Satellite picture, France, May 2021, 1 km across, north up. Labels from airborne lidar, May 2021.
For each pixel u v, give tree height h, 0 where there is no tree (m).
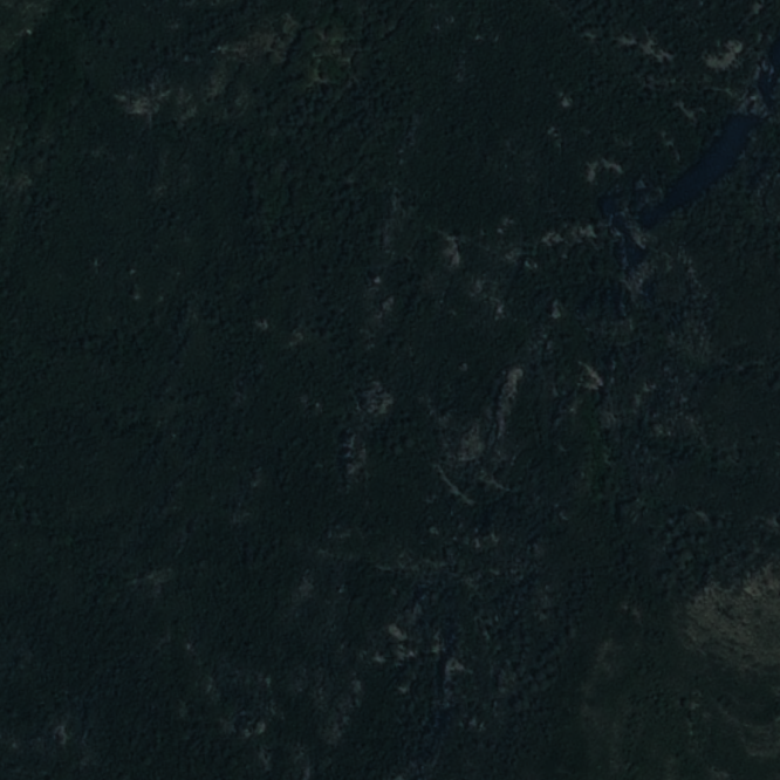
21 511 16
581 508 7
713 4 13
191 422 7
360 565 8
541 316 6
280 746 6
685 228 11
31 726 8
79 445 16
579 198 7
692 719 16
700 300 7
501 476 10
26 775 6
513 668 6
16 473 10
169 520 8
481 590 7
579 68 6
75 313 10
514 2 9
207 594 8
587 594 13
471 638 6
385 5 11
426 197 8
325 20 7
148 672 7
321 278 7
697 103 9
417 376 6
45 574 6
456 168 8
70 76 21
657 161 9
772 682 5
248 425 6
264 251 19
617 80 12
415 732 8
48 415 10
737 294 7
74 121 14
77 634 9
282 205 10
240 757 7
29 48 23
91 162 9
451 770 6
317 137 14
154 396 6
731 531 7
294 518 11
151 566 8
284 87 16
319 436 7
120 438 10
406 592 6
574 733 6
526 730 11
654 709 10
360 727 6
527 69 7
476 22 6
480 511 9
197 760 13
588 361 7
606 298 6
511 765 10
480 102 9
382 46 15
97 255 9
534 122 6
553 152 6
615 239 7
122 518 13
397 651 6
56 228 6
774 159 6
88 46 6
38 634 9
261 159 6
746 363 7
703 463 7
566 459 9
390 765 6
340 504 9
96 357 8
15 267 7
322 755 8
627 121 7
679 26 6
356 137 15
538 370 13
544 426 9
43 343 9
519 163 6
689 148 8
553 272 6
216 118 11
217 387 6
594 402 8
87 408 7
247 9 19
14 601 10
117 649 11
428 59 6
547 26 6
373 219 9
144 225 6
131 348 12
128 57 8
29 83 19
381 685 7
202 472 8
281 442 6
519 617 11
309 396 9
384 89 10
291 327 6
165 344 9
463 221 8
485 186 8
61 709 11
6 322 7
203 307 6
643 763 9
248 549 13
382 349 6
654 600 6
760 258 15
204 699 7
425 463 6
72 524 8
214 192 7
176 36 7
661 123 7
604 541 7
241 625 7
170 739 10
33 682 7
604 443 7
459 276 6
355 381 6
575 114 9
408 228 6
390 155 7
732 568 9
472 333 6
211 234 8
